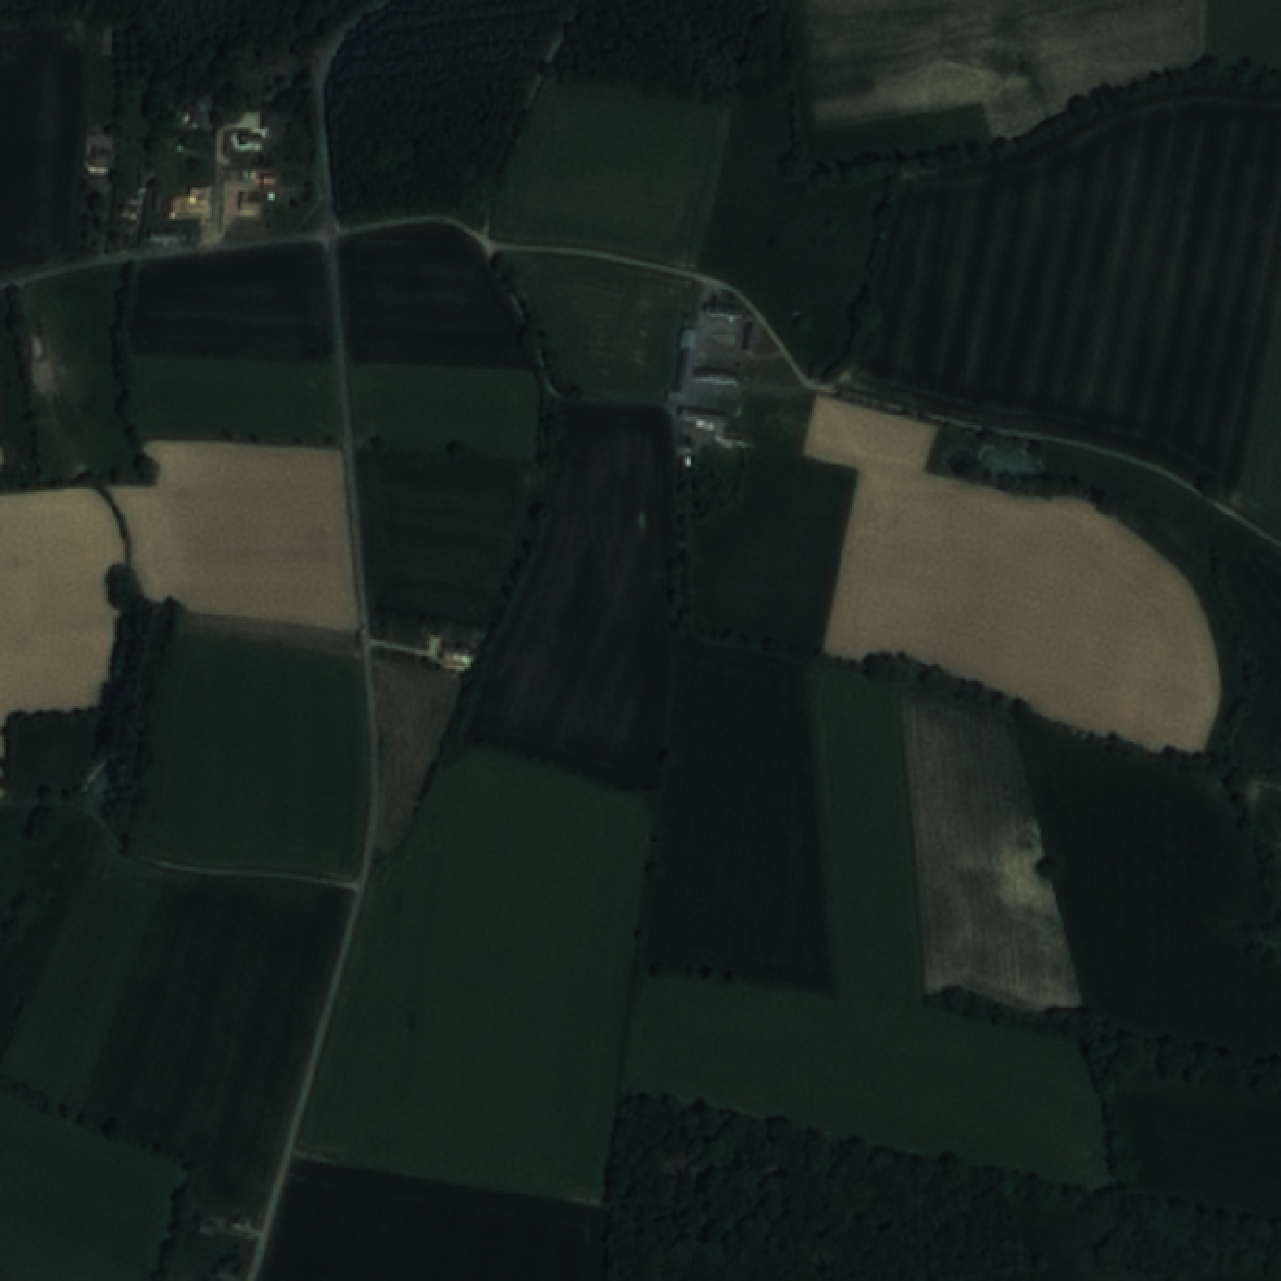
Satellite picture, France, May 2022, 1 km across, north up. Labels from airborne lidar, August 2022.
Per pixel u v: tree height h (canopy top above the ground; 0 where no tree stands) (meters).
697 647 0
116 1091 0
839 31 0
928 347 0
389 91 16
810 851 0
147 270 0
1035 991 0
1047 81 0
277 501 0
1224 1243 17
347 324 0
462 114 14
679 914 0
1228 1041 0
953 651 0
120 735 30
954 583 0
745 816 0
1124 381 0
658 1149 15
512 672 0
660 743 0
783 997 0
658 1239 20
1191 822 0
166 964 0
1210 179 0
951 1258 18
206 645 0
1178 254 0
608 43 15
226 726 0
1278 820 0
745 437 0
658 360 0
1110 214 0
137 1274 0
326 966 0
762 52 16
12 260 0
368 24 10
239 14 18
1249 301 0
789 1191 23
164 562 0
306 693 0
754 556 0
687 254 0
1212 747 0
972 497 0
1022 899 0
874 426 0
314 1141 0
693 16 13
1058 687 0
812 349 0
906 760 0
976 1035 0
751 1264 22
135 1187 0
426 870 0
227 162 0
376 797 0
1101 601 0
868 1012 0
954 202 0
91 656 0
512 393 0
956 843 0
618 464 0
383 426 0
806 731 0
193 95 13
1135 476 0
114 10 19
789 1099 0
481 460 0
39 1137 0
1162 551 0
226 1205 0
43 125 0
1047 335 0
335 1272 0
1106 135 0
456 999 0
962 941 0
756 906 0
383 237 0
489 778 0
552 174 0
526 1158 0
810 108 0
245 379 0
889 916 0
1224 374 0
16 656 0
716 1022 0
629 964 0
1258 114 0
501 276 11
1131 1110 0
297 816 0
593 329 0
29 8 13
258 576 0
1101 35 0
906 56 0
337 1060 0
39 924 0
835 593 0
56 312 0
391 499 0
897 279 0
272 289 0
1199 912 0
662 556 0
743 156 0
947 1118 0
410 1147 0
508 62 15
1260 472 0
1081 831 0
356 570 0
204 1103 0
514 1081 0
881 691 0
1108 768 0
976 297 0
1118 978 0
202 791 0
